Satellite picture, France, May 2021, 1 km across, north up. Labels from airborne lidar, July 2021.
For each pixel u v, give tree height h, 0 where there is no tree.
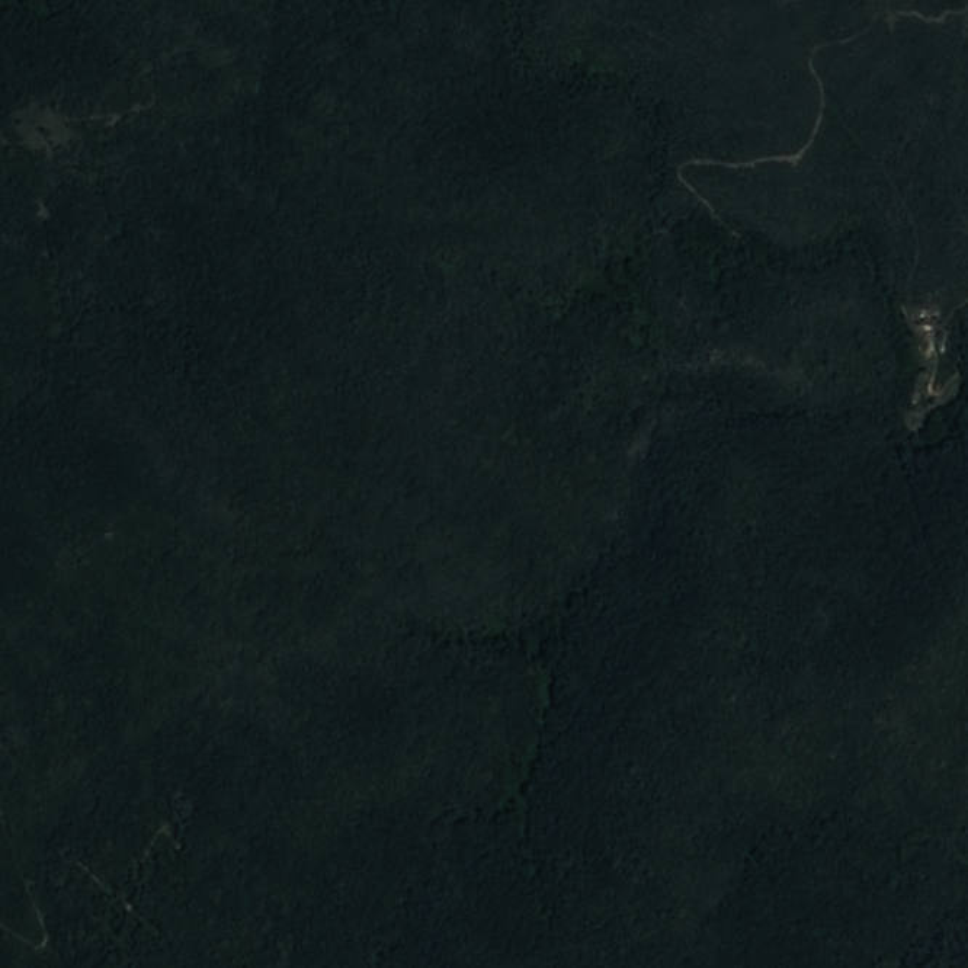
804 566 7
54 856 11
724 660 8
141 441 7
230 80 9
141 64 8
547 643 20
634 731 10
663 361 13
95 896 9
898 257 6
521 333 11
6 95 9
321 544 11
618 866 17
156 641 10
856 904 12
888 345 10
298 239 10
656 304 6
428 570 9
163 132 8
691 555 9
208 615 6
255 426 7
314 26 9
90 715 11
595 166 10
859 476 16
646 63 7
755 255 8
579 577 13
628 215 13
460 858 8
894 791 8
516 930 14
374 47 7
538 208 10
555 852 12
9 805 5
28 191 9
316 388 8
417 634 16
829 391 7
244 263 8
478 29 11
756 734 9
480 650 23
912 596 13
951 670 6
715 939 6
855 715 8
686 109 12
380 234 7
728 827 13
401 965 10
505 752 8
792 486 8
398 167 8
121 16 10
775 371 13
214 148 10
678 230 15
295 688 6
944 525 12
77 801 9
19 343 7
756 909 10
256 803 7
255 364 8
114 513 8
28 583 7
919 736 6
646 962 14
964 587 6
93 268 11
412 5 8
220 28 9
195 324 9
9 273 7
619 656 9
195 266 11
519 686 8
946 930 12
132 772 9
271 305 12
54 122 0
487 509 7
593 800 10
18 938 6
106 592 8
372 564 10
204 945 8
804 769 9
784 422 11
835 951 9
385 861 15
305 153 8
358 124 9
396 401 6
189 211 10
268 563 6
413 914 8
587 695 7
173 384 11
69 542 7
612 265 17
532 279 8
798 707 9
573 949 8
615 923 11
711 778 8
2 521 6
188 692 7
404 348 7
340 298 12
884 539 18
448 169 10
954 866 8
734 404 22
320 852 8
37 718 7
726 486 6
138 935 12
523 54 18
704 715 9
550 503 8
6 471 7
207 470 9
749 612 13
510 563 7
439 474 8
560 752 10
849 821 14
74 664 9
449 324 7
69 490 6
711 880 6
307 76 9
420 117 6
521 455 8
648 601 9
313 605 10
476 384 9
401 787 6
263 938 10
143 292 10
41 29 9
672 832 9
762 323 7
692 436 11
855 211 7
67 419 8
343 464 6
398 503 6
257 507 11
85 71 7
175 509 6
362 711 15
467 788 11
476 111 11
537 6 8
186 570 6
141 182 9
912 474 17
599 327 15
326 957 9
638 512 9
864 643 11
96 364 10
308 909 11
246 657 8
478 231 9
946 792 9
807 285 6
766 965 8
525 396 12
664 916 15
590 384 20
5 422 7
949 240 7
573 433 14
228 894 10
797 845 11
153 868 11
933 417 17
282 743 10
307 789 8
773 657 10
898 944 11
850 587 6
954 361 9
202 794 14
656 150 12
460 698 9
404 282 10
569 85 15
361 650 8
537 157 7
